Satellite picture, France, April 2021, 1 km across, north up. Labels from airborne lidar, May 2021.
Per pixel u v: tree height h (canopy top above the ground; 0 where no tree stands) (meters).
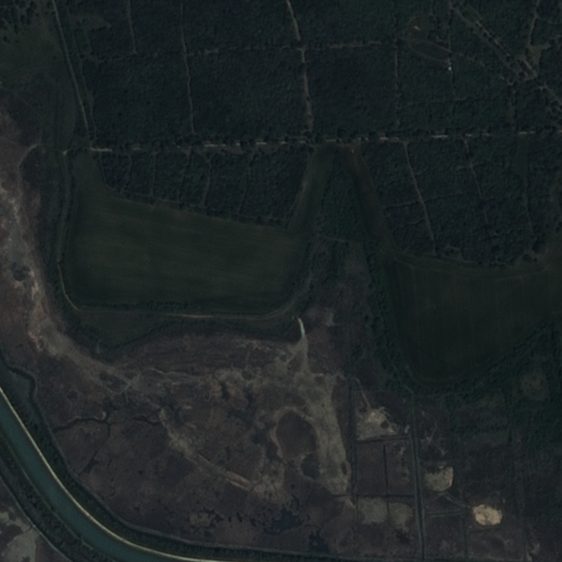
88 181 0
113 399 0
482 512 0
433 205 7
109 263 0
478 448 0
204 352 0
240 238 0
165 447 0
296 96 7
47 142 0
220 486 0
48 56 0
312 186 0
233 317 0
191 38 8
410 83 8
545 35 8
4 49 0
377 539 0
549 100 8
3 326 0
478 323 0
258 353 0
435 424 0
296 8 6
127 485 0
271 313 0
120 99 6
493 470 0
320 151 0
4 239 0
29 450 0
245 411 0
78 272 0
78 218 0
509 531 0
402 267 0
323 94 6
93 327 0
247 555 8
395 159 6
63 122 0
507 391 7
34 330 0
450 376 0
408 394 7
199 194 6
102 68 7
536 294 0
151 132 7
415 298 0
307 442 0
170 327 7
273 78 7
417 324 0
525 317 0
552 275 0
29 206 0
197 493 0
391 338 9
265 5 6
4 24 9
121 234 0
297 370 0
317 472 0
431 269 0
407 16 9
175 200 7
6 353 0
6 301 0
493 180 8
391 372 11
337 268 7
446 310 0
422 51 0
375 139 17
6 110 0
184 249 0
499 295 0
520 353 8
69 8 7
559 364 11
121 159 12
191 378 0
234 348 0
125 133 7
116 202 0
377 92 6
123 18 7
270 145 13
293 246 0
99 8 7
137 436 0
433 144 8
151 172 6
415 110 7
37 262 0
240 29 7
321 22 8
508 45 6
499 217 9
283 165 8
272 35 8
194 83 6
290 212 6
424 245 8
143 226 0
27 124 0
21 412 6
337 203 8
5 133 0
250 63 6
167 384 0
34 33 0
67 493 0
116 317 0
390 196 5
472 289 0
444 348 0
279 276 0
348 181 9
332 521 0
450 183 7
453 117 8
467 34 9
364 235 6
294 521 0
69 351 0
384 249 0
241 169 7
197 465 0
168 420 0
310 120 8
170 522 0
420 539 0
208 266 0
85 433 0
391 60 7
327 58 6
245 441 0
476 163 8
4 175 0
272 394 0
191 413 0
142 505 0
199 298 0
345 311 6
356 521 0
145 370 0
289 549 0
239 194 7
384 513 0
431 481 0
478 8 6
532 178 8
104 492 0
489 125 8
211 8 6
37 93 0
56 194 0
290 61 7
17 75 0
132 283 0
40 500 7
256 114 6
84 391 0
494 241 17
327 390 0
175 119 7
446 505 0
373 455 0
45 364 0
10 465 7
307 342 0
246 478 0
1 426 0
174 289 0
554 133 17
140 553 0
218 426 0
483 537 0
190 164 7
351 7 9
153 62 6
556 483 0
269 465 0
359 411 0
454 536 0
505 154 7
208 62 6
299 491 0
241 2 6
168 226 0
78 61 7
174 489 0
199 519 0
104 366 0
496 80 9
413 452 0
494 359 0
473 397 7
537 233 7
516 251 6
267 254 0
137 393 0
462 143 7
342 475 0
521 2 7
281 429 0
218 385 0
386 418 0
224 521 0
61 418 0
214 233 0
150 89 6
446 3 9
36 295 0
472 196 7
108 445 0
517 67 10
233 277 0
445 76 9
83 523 0
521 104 9
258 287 0
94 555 8
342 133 15
